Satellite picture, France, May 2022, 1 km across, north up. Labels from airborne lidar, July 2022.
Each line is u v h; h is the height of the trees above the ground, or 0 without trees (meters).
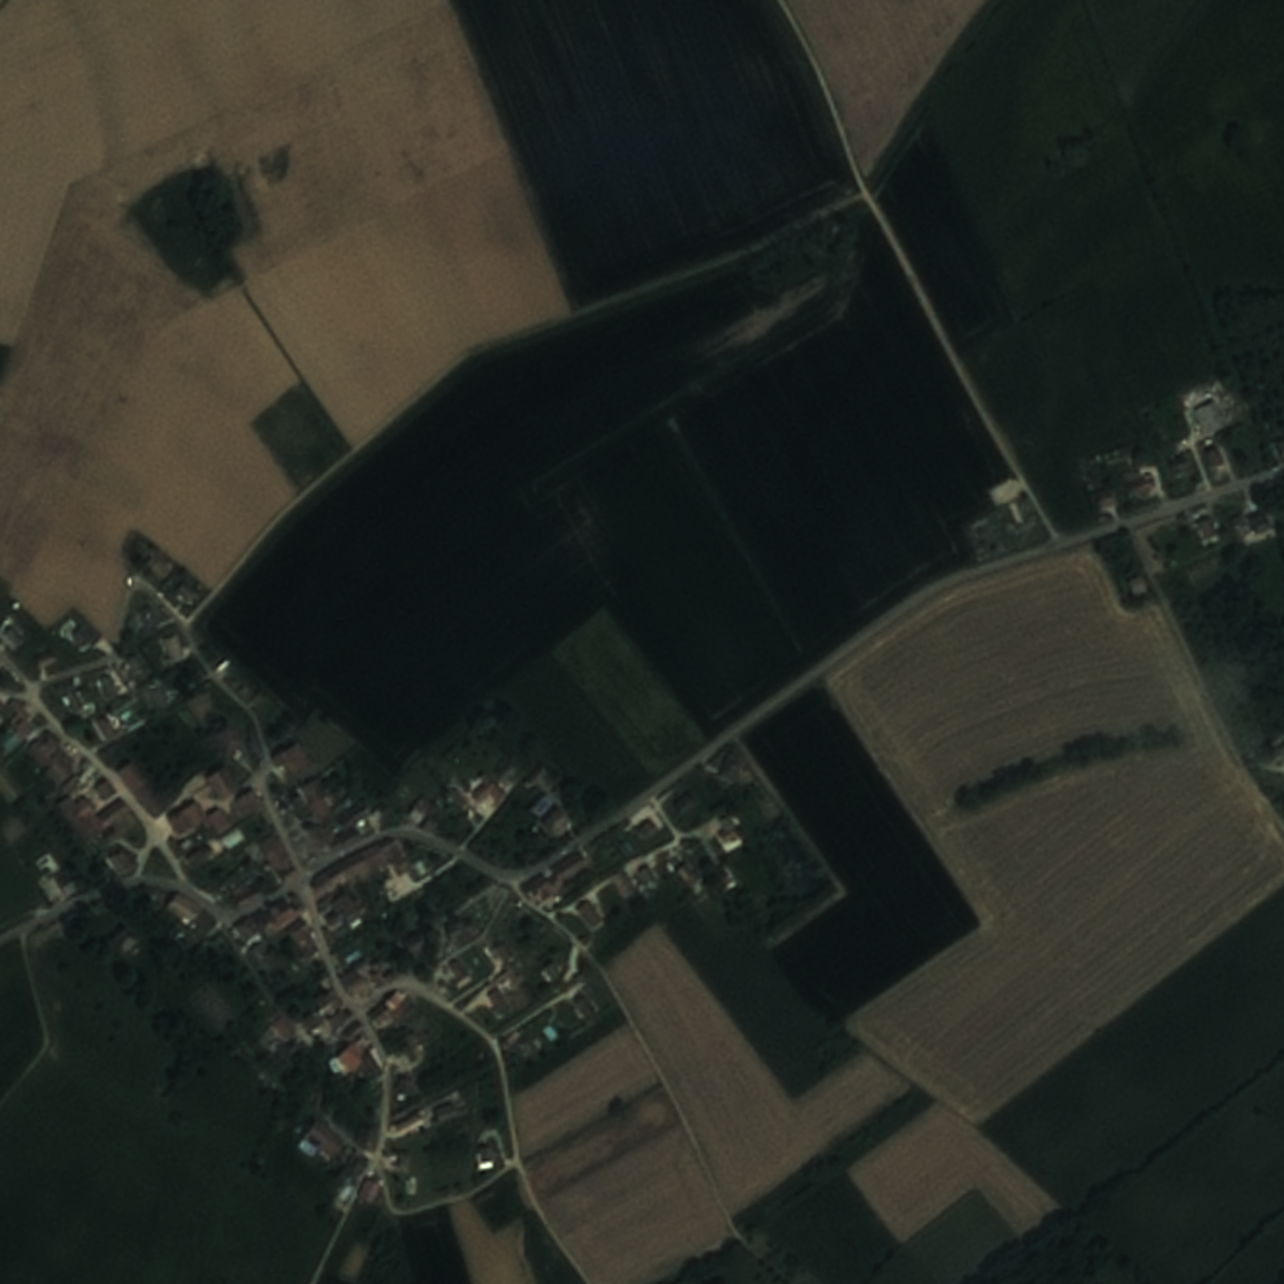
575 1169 0
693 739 0
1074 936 0
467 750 8
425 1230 0
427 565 0
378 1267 6
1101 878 0
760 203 0
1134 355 0
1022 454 0
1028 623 0
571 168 0
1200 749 0
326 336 0
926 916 0
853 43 0
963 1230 0
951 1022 0
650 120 0
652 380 0
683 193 0
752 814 0
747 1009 0
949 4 0
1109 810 0
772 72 0
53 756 0
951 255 0
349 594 0
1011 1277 16
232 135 0
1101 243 0
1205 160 0
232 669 0
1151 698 0
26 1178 0
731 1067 0
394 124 0
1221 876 0
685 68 0
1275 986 0
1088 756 13
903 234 0
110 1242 0
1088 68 0
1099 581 0
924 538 0
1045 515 0
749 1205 0
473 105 0
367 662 0
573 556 0
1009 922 0
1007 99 0
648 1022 0
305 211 0
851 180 0
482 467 0
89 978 0
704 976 0
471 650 0
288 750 0
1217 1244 0
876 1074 0
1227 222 0
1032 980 0
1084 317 0
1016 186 0
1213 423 0
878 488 0
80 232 0
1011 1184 0
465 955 0
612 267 0
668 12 0
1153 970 0
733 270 0
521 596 0
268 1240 0
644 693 0
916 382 0
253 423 0
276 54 0
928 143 0
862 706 0
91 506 0
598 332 0
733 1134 0
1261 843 0
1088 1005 0
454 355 0
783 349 0
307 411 0
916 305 0
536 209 0
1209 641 6
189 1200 0
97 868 8
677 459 0
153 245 0
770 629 0
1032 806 0
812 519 0
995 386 0
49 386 0
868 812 0
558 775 10
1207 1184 0
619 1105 9
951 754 0
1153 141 0
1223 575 0
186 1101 0
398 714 0
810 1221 0
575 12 0
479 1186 7
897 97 0
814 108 0
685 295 0
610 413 0
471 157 0
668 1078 0
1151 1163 9
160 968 24
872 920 0
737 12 0
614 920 10
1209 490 0
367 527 0
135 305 0
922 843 0
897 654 0
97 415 0
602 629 0
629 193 0
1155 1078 0
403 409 0
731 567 0
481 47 0
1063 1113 0
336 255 0
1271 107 0
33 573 0
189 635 0
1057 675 0
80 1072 0
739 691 0
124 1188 0
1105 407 0
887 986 0
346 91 0
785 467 0
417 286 0
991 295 0
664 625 0
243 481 0
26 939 0
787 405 0
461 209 0
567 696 0
